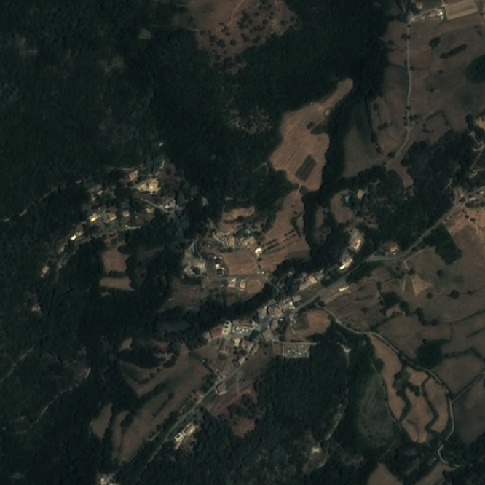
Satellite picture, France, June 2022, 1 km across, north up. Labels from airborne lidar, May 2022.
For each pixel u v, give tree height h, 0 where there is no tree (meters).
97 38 14
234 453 13
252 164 8
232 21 0
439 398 0
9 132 14
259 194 8
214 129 14
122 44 13
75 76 9
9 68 13
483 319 0
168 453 7
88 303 15
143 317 21
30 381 8
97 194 6
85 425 9
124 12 10
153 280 18
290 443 12
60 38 16
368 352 13
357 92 15
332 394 14
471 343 0
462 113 0
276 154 0
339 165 21
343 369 7
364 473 13
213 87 8
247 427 0
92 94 10
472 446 12
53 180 13
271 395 11
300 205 0
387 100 0
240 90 12
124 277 7
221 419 12
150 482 13
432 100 0
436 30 0
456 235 0
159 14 11
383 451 13
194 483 10
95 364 18
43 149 13
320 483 12
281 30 0
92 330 23
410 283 0
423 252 0
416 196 10
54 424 11
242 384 0
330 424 10
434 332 0
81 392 18
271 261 0
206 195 13
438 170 13
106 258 0
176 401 0
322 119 0
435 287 0
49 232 10
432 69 0
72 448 9
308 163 0
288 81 5
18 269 11
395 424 9
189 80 15
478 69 14
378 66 18
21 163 14
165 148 17
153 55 20
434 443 10
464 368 0
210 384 9
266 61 14
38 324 16
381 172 15
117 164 10
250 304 22
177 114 16
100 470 7
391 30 0
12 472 8
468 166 11
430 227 14
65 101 15
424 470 13
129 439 0
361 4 17
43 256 6
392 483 0
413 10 8
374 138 11
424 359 8
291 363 8
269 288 9
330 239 11
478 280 0
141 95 12
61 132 9
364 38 24
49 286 13
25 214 8
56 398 10
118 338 11
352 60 14
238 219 8
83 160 9
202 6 0
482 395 0
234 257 0
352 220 6
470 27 0
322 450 5
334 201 0
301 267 14
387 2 8
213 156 11
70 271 6
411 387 9
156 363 14
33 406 6
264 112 9
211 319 19
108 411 0
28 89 13
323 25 8
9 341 9
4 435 15
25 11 14
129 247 21
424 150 6
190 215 17
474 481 10
